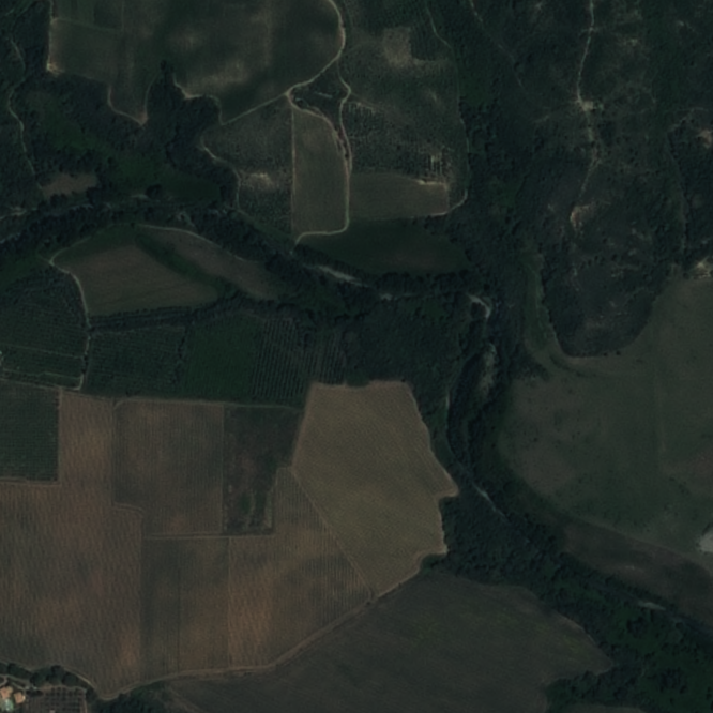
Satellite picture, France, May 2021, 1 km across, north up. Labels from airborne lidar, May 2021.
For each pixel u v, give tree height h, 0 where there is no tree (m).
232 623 0
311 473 0
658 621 9
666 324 0
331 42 0
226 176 12
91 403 0
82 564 0
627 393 0
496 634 0
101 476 0
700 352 0
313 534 0
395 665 0
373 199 0
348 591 0
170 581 0
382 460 0
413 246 0
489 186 9
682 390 0
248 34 0
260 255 18
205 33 0
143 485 0
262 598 0
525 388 0
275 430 0
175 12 0
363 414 0
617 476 0
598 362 0
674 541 0
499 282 8
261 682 0
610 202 5
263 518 0
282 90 0
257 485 0
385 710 0
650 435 0
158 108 8
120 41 0
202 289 0
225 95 0
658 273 7
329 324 15
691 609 0
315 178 0
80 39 0
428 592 0
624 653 9
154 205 6
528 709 0
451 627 0
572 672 0
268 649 0
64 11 0
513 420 0
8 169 13
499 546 9
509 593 0
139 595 0
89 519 0
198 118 12
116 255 0
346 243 0
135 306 0
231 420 0
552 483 0
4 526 0
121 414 0
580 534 0
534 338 0
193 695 0
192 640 0
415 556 0
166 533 0
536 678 0
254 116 0
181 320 7
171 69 18
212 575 0
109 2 0
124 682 0
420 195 0
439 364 12
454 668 0
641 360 0
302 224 0
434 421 15
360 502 0
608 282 0
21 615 0
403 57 0
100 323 7
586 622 11
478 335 22
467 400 24
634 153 9
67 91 12
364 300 29
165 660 0
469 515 8
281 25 0
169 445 0
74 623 0
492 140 18
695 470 0
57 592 0
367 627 0
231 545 0
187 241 0
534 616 0
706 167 7
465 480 11
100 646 0
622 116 0
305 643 0
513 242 14
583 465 0
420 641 0
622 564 0
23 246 26
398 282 21
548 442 0
